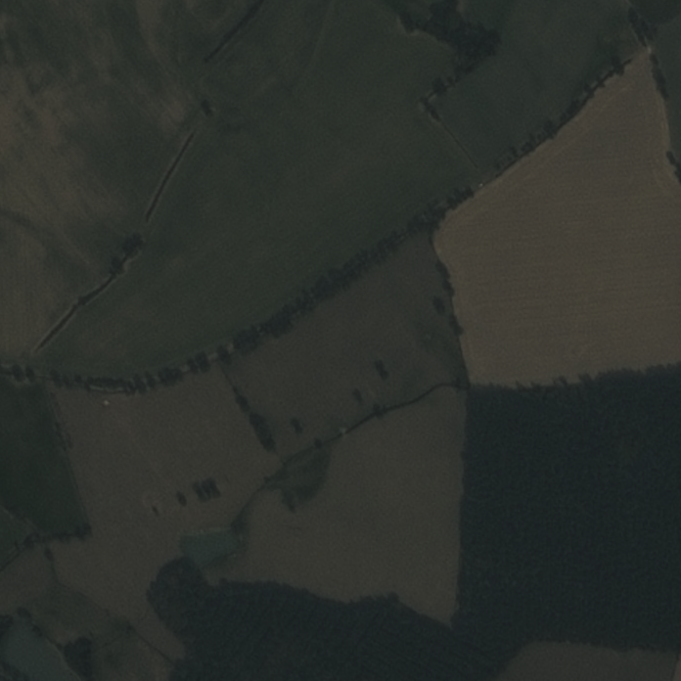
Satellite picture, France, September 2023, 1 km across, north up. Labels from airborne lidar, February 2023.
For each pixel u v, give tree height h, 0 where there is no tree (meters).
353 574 0
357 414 0
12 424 0
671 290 0
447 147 0
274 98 0
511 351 0
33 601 0
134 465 0
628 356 0
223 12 0
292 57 0
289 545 0
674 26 0
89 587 0
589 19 0
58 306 0
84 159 0
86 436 0
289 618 19
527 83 0
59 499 0
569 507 21
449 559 0
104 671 0
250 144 0
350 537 0
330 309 0
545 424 24
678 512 23
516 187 0
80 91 0
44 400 0
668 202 0
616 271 0
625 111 0
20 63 0
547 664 0
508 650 21
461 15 0
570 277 0
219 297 0
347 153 0
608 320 0
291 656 0
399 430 0
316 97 0
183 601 17
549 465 22
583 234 0
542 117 0
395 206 0
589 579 24
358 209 0
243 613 21
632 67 0
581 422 27
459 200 7
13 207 0
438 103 0
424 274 0
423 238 0
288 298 0
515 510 21
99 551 0
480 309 0
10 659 0
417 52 0
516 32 0
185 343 0
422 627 17
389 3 0
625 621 24
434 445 0
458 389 15
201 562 0
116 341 0
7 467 0
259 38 0
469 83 0
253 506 0
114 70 0
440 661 22
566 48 0
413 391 0
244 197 0
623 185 0
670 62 0
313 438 0
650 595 22
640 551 24
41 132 0
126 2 0
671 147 0
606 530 25
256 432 19
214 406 0
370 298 0
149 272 0
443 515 0
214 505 0
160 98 0
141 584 0
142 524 0
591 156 0
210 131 0
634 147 0
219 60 0
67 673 0
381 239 0
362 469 0
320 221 0
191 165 0
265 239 0
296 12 0
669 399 22
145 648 0
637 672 0
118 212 0
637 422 18
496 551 22
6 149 0
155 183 0
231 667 16
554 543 21
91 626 0
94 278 0
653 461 23
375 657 19
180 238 0
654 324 0
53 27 0
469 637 23
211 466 0
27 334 0
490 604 22
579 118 0
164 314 0
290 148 0
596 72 0
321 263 0
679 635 26
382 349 0
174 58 0
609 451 14
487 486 24
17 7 0
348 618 18
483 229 0
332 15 0
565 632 23
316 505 0
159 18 0
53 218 0
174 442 0
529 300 0
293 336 0
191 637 13
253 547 0
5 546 0
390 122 0
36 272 0
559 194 0
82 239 0
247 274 0
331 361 0
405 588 0
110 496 0
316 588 0
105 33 0
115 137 0
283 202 0
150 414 0
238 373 0
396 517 0
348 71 0
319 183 0
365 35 0
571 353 0
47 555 9
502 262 0
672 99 0
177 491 0
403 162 0
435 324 0
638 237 0
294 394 0
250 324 0
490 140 0
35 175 0
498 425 26
